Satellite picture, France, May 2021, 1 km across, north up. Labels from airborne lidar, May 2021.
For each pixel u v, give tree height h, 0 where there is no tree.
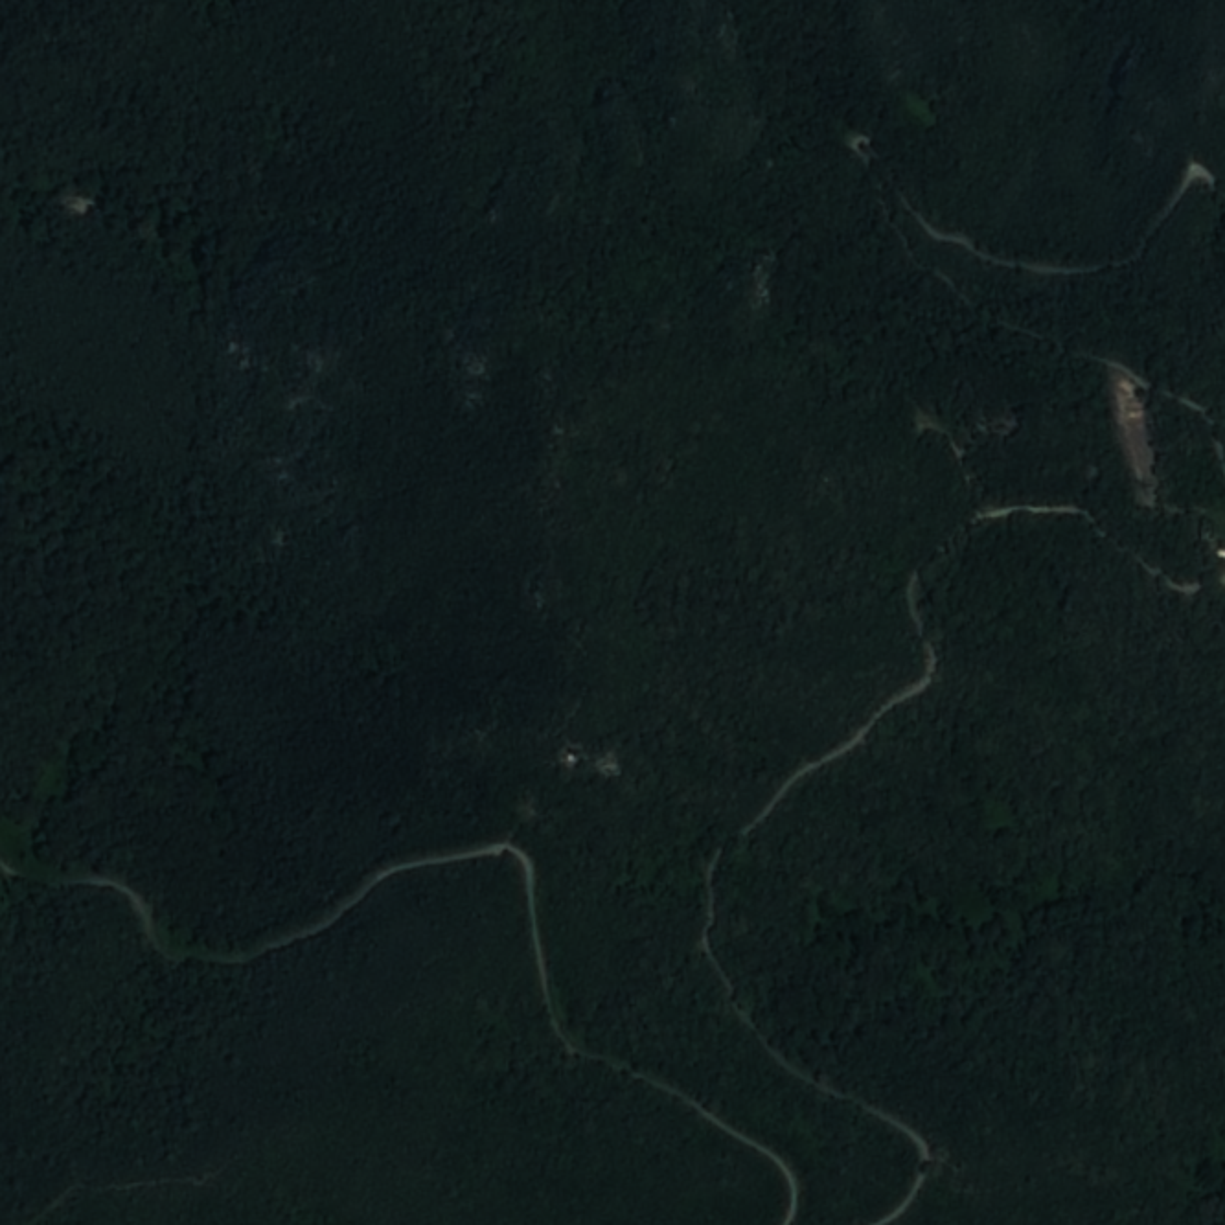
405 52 8
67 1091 12
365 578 7
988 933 16
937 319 11
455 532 7
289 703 8
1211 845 16
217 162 7
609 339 12
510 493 7
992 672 9
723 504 8
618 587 12
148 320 7
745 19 12
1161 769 8
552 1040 8
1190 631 12
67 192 10
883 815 7
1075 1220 7
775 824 8
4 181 7
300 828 8
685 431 7
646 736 12
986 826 16
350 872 7
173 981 11
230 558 9
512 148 11
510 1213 7
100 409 7
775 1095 7
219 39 6
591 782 10
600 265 15
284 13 8
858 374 9
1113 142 9
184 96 9
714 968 8
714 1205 5
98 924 6
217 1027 9
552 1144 7
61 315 6
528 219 9
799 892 11
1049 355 13
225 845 19
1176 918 15
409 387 7
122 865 9
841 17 10
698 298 7
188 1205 6
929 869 17
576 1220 6
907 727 10
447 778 11
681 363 7
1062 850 10
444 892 7
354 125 8
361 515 6
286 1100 10
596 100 8
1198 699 9
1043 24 7
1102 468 10
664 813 8
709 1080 8
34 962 10
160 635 13
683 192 6
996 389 20
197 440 12
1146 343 12
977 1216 9
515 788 8
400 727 11
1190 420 7
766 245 10
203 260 22
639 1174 8
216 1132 7
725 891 15
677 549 9
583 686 9
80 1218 6
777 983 12
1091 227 8
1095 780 13
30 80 8
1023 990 9
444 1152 7
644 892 15
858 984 8
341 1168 6
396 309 9
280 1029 7
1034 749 11
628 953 13
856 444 9
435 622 13
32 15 10
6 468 20
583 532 8
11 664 14
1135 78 6
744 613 9
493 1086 10
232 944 13
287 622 14
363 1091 8
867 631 6
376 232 9
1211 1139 12
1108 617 8
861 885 11
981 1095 9
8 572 14
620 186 7
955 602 11
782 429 7
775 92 17
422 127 9
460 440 8
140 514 16
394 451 8
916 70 8
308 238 16
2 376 7
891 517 8
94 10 9
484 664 7
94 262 9
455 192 10
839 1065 6
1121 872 14
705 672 11
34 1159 6
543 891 8
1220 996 14
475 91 14
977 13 8
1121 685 10
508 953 5
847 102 17
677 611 13
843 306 8
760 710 8
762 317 7
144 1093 11
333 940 9
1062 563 8
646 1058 10
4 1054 7
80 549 13
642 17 9
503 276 6
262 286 6
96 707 18
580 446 6
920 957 8
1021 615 12
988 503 9
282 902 7
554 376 7
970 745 17
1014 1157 6
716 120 6
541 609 7
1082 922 11
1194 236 11
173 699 16
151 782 15
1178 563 7
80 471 16
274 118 9
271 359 7
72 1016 6
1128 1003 9
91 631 9
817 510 9
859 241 16
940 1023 5
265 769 10
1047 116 11
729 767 12
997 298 10
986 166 10
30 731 8
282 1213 9
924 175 10
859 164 9
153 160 6
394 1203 7
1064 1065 9
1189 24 6
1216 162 6
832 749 6
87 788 21
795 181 14
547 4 12
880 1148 5
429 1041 9
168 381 7
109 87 12
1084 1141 7
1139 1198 9
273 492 8
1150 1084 6
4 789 14
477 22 15
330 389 7
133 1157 9
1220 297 6
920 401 14
